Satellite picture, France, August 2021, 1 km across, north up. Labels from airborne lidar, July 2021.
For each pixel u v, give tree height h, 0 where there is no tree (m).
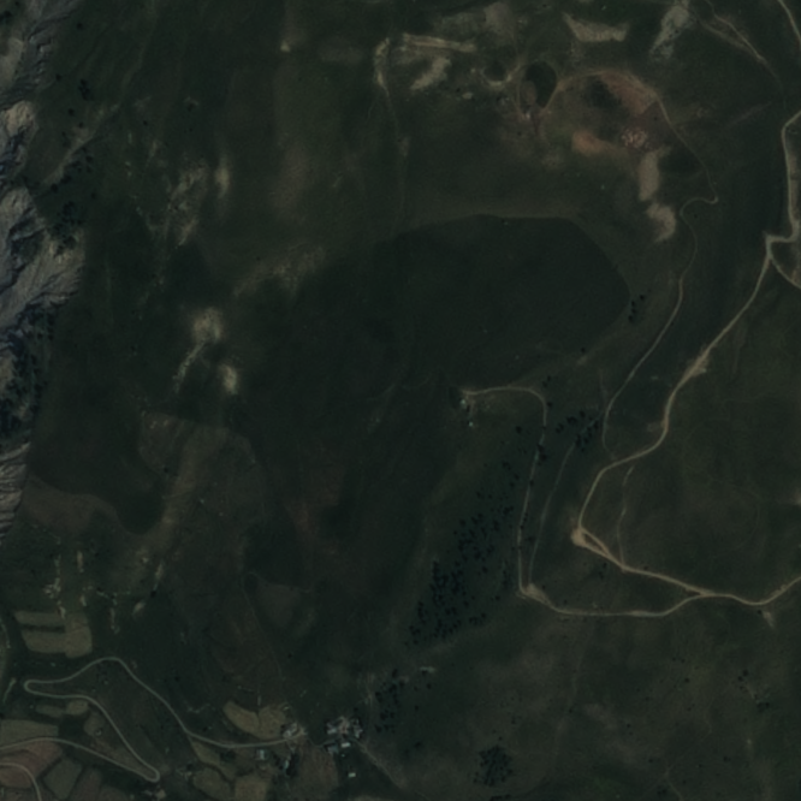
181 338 0
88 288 0
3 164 0
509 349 0
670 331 0
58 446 0
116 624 0
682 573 0
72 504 0
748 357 0
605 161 0
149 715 0
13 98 0
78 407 0
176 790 0
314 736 0
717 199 0
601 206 0
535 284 0
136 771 0
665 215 0
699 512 0
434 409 0
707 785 0
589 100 0
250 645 0
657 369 0
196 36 0
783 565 0
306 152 0
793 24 0
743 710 0
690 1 0
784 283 0
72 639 0
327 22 0
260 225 0
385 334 0
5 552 0
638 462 0
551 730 0
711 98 0
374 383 0
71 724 0
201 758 0
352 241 0
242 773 0
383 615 0
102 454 0
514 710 0
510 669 0
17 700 0
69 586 0
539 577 0
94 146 0
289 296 0
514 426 0
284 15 0
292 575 0
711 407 0
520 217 0
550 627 0
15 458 0
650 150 0
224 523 0
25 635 0
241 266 0
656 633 0
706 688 0
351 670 0
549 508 0
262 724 0
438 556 0
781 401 0
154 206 0
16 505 0
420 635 12
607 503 0
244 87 0
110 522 0
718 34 0
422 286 0
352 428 0
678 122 0
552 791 0
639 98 0
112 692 0
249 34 0
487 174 0
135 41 0
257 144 0
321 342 0
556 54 0
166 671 0
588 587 0
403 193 0
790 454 0
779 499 0
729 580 0
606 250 0
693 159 0
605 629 0
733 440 0
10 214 0
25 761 0
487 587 0
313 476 0
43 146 0
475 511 0
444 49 0
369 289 0
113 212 0
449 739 0
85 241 0
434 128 0
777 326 0
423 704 0
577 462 0
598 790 0
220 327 0
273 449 0
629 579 0
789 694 0
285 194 0
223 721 0
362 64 0
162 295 0
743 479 0
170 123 0
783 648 0
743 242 0
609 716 0
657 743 0
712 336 0
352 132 0
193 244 0
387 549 0
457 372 0
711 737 0
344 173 0
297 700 0
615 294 0
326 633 0
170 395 0
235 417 0
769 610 0
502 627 0
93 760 0
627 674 0
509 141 0
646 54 0
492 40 0
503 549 0
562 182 0
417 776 0
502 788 0
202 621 0
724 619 0
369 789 0
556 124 0
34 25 0
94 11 0
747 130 0
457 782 0
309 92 0
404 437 0
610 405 0
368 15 0
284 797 0
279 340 0
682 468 0
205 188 0
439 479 0
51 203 0
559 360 0
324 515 0
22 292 0
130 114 0
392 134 0
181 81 0
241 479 0
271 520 0
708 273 0
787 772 0
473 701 0
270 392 0
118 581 0
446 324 0
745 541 0
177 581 0
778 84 0
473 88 0
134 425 0
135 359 0
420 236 0
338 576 0
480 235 0
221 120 0
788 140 0
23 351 21
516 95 0
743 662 0
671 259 0
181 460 0
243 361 0
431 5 0
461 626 8
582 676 0
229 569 0
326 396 0
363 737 6
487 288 0
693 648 0
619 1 0
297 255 0
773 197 0
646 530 0
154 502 0
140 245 0
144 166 0
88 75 0
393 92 0
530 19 0
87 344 0
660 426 0
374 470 0
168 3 0
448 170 0
